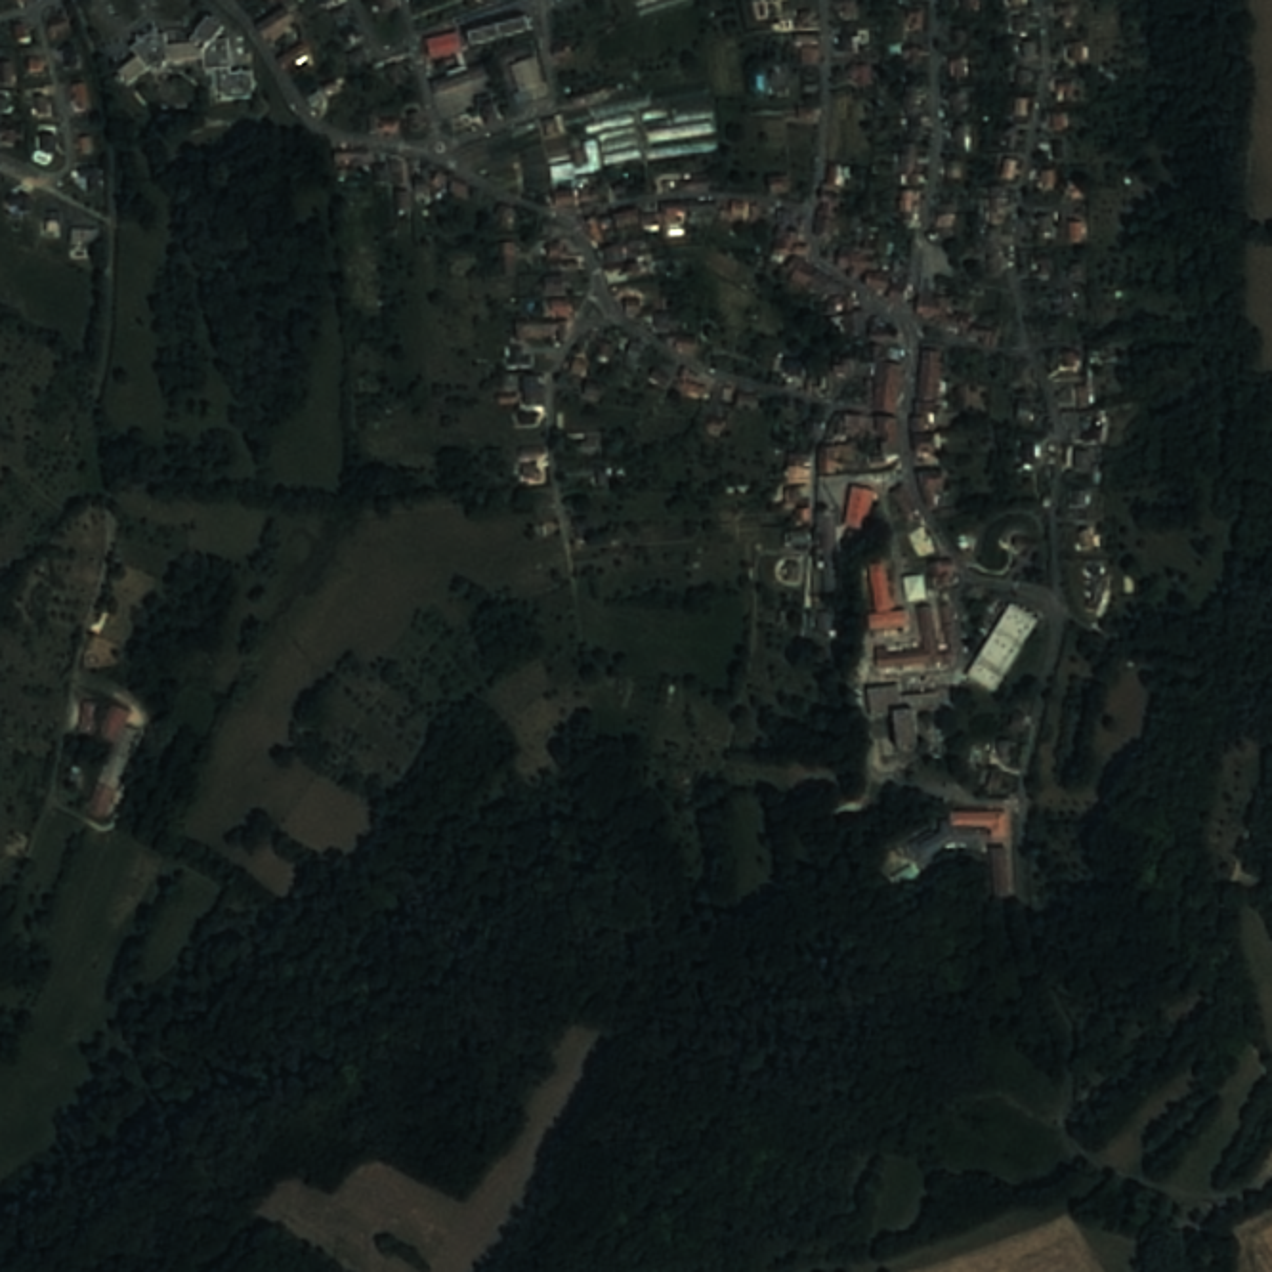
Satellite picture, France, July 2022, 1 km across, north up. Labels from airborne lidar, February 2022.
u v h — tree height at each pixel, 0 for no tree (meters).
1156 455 9
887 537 16
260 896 11
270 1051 17
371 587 0
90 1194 24
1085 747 12
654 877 24
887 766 0
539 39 0
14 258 0
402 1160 20
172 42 0
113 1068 26
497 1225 0
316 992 19
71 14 8
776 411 7
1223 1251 14
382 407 6
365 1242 0
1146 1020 9
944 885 17
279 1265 20
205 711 0
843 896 21
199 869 6
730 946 27
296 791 0
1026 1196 16
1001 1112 0
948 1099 25
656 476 9
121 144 13
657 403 0
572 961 29
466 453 6
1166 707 12
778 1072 24
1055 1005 16
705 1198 17
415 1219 0
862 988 24
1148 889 15
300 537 0
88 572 0
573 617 6
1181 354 13
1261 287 0
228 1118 32
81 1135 30
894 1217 0
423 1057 25
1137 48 6
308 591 0
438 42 0
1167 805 18
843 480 0
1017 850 0
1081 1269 0
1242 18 19
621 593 7
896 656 0
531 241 9
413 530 0
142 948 17
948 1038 23
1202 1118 12
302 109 0
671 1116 24
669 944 26
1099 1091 8
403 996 25
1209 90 18
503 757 10
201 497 17
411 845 17
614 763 17
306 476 0
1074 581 0
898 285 0
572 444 11
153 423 0
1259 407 16
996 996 20
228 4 0
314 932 20
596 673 16
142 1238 27
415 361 0
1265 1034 10
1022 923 21
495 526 0
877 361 0
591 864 6
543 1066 25
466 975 23
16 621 9
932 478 0
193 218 23
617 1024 23
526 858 18
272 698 0
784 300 9
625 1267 13
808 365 17
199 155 20
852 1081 13
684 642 0
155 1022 21
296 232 20
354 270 0
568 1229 24
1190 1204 0
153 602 15
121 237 0
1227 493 8
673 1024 21
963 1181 8
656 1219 18
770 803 20
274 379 26
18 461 0
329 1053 26
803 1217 16
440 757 10
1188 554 0
